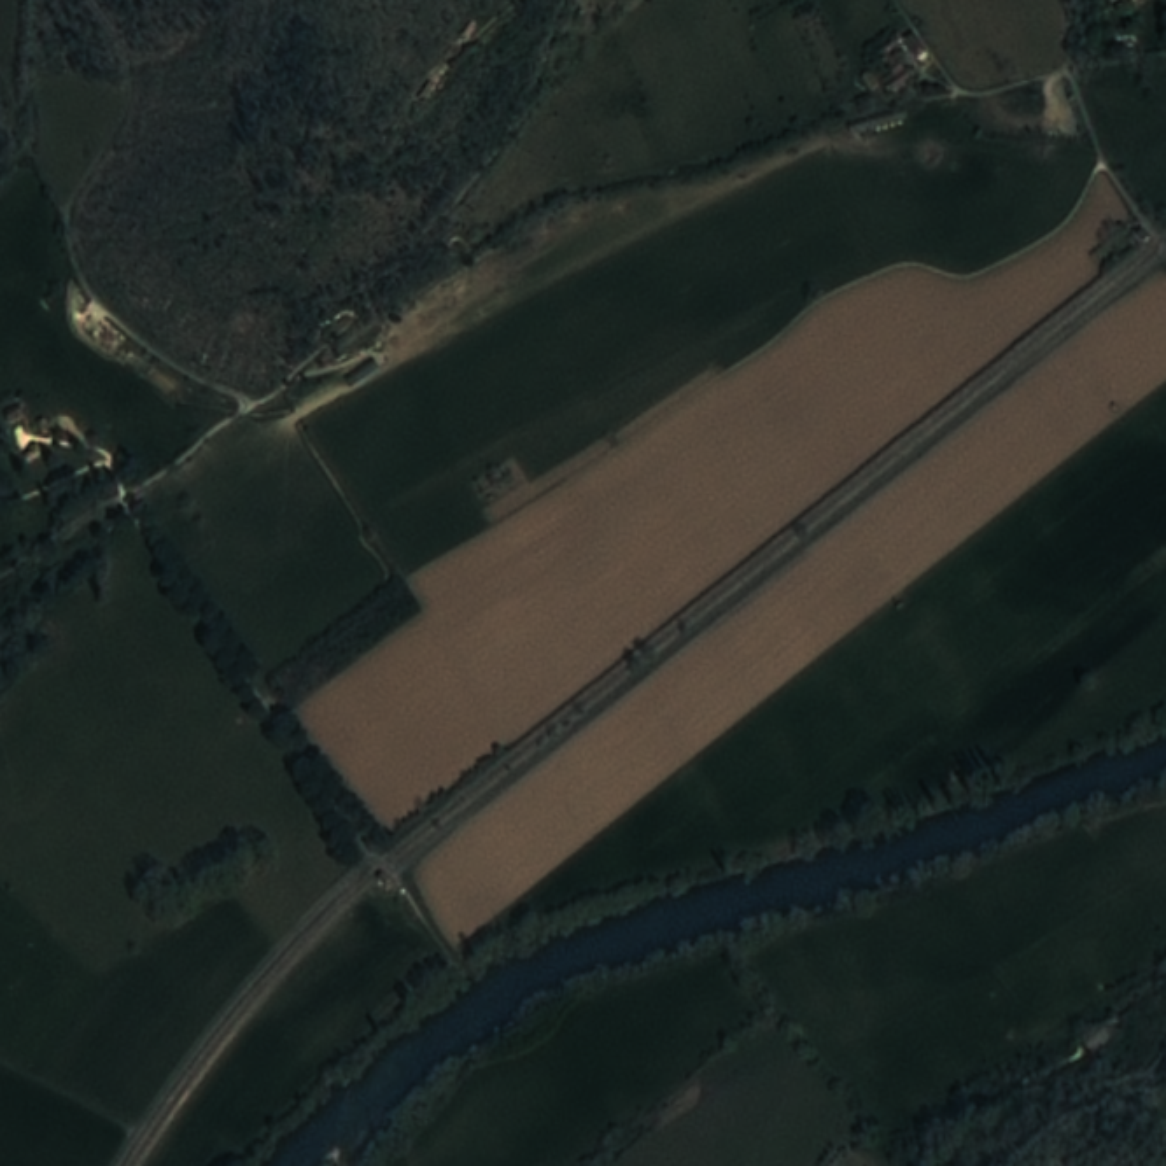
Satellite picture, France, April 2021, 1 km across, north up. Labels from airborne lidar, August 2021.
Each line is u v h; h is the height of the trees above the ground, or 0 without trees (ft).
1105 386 0
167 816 0
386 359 0
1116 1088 30
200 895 90
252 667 64
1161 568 0
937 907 0
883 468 0
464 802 0
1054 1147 65
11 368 0
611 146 0
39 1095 0
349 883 0
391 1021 22
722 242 0
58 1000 0
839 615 0
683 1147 0
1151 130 0
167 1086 0
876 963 0
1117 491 0
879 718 0
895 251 0
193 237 18
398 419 0
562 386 0
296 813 0
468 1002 0
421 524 0
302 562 0
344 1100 0
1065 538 0
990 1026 0
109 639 0
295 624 0
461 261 38
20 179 0
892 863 0
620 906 52
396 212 26
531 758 0
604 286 0
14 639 49
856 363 0
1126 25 48
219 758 0
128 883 0
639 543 0
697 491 0
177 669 0
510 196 0
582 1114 0
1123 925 0
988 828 0
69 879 0
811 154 0
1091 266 0
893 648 0
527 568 0
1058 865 0
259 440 0
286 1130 47
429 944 0
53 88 0
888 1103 0
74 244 38
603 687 0
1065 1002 0
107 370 0
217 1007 0
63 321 0
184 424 0
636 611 0
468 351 0
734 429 0
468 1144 0
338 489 0
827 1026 0
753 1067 0
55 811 0
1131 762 0
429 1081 52
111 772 0
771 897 0
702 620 0
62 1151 0
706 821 0
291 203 37
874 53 26
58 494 60
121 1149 0
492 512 0
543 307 0
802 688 0
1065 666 0
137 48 56
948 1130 80
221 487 0
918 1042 0
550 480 0
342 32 51
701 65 0
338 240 26
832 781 0
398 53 64
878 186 0
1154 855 0
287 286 20
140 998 0
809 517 0
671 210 0
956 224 0
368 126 48
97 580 90
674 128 0
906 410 0
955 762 0
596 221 0
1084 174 0
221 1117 0
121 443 0
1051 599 0
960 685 0
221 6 38
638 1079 0
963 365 0
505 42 22
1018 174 0
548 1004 52
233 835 0
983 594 0
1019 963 0
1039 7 0
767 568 0
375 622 33
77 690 0
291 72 44
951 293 0
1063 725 0
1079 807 56
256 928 0
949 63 0
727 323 0
